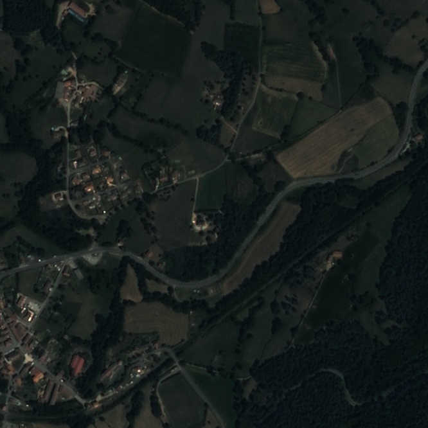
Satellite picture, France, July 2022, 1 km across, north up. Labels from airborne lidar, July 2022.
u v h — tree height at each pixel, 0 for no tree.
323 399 18
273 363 16
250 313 9
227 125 0
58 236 18
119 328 25
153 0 20
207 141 12
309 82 0
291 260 8
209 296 0
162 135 0
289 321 0
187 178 0
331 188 22
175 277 7
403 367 7
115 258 0
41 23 26
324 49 14
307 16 0
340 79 0
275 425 24
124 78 0
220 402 0
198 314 0
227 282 0
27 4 32
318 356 21
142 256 9
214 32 0
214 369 13
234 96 25
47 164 17
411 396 20
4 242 0
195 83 0
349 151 0
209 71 0
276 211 6
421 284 22
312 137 0
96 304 0
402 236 21
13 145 18
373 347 22
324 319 0
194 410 0
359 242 0
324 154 0
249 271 0
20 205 18
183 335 0
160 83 0
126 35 0
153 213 9
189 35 0
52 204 0
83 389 15
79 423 20
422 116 16
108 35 0
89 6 0
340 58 0
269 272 9
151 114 0
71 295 0
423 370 17
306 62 0
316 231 6
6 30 20
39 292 7
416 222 8
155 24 0
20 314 0
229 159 8
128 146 0
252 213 22
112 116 9
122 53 0
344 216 14
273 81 0
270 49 0
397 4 0
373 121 0
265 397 0
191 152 0
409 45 0
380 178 0
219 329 0
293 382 12
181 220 0
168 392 0
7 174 0
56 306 9
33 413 13
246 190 0
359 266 0
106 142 0
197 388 0
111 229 0
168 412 0
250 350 0
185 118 0
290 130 18
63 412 8
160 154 9
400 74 0
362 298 12
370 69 24
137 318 0
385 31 0
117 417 0
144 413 0
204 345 0
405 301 25
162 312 0
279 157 0
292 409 23
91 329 0
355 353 19
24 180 0
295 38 0
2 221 8
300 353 18
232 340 0
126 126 0
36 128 0
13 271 0
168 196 7
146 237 0
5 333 0
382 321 25
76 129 8
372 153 0
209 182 0
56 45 27
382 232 0
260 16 11
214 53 11
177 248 0
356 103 0
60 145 18
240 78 25
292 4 0
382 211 0
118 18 0
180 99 0
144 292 17
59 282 0
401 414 20
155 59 0
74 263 0
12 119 18
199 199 0
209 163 0
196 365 8
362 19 0
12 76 0
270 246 0
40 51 0
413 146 16
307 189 7
